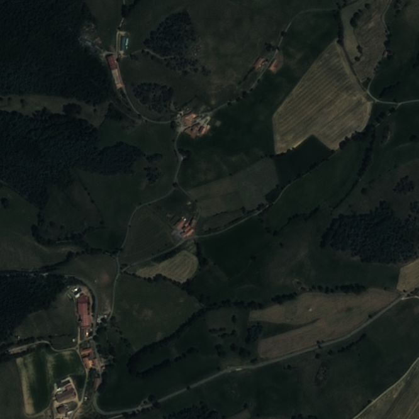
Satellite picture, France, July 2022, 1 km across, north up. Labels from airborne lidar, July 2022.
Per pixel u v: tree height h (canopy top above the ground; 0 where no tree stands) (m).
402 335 0
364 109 0
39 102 0
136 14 0
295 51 0
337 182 0
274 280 0
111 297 0
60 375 0
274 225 0
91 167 14
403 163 0
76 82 11
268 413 0
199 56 0
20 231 0
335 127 0
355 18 13
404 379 0
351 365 0
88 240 0
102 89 6
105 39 0
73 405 0
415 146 0
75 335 0
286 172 0
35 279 14
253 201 0
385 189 0
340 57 0
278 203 0
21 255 0
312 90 0
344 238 10
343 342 0
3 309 16
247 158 0
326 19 0
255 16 0
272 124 0
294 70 0
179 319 0
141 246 0
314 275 0
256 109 0
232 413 0
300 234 0
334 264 0
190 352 16
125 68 0
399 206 0
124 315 0
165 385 0
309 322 0
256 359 8
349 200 0
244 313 0
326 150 0
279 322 0
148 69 0
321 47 0
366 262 13
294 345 0
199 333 0
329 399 0
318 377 0
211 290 0
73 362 0
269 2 0
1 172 13
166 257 7
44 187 10
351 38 0
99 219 0
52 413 0
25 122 10
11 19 14
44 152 15
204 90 0
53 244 9
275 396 0
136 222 0
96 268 0
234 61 0
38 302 11
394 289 0
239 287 0
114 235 0
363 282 0
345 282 0
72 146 20
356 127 0
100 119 0
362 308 0
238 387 0
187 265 0
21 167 14
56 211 0
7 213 0
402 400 0
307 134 0
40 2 14
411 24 0
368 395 0
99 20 0
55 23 11
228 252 0
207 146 0
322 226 0
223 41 0
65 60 7
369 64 0
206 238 0
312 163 0
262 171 0
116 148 15
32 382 0
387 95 11
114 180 0
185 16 10
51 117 16
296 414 0
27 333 0
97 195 0
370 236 6
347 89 0
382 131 0
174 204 0
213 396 0
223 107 0
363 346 0
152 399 16
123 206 0
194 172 0
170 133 0
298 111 0
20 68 9
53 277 16
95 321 0
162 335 0
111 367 13
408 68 0
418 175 0
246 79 7
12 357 8
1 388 0
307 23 0
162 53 13
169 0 0
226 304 13
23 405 0
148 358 0
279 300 18
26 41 14
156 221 0
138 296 0
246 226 0
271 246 0
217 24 0
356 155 0
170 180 0
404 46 0
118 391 0
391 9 0
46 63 8
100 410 0
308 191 0
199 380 0
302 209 0
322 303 0
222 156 0
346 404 0
